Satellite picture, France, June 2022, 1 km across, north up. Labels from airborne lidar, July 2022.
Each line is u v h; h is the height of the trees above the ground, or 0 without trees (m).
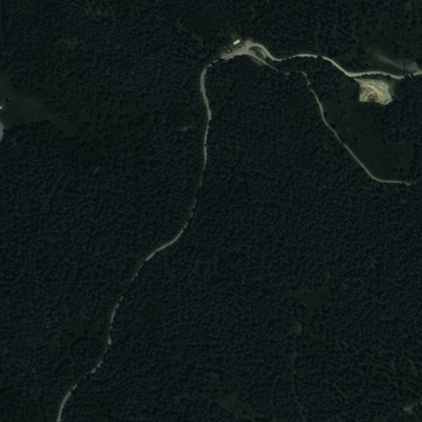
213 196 17
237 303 8
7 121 0
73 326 0
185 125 14
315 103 17
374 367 17
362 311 17
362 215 30
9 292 11
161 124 22
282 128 24
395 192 9
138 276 7
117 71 27
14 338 28
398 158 18
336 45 25
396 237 28
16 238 10
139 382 23
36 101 0
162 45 8
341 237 35
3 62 18
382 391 23
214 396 10
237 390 27
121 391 18
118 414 14
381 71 0
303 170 32
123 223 8
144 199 26
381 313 28
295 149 23
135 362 32
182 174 32
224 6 19
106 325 13
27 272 12
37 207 16
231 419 22
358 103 6
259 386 26
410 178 14
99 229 21
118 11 8
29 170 32
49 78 17
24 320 15
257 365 25
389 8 12
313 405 23
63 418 13
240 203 29
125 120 19
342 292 13
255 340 19
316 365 28
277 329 35
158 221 17
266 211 13
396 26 8
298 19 19
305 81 16
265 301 29
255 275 30
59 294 27
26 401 19
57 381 16
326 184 22
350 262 27
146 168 6
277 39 15
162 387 14
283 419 25
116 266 8
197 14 18
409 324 26
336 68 10
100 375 14
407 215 22
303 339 24
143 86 21
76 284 24
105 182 30
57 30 17
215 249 25
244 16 13
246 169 15
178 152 31
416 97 31
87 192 34
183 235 11
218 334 32
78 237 38
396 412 0
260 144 27
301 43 17
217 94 13
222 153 17
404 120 32
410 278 28
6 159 30
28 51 13
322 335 17
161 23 7
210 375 23
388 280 23
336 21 19
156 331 17
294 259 30
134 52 26
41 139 19
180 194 28
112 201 33
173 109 7
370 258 22
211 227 22
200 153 16
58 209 15
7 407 13
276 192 27
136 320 26
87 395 25
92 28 20
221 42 27
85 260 23
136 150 22
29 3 10
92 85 20
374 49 0
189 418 16
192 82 18
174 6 20
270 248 15
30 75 19
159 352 23
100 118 20
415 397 31
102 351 14
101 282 14
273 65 9
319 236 27
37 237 23
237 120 10
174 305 16
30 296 29
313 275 28
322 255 24
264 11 19
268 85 32
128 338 11
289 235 21
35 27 17
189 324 15
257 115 24
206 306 20
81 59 18
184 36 14
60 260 11
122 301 8
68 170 30
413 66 0
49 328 22
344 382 11
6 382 12
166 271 12
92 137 21
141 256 20
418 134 24
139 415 29
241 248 9
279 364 23
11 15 16
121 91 17
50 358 21
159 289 22
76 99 18
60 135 21
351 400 10
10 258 18
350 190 28
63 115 22
